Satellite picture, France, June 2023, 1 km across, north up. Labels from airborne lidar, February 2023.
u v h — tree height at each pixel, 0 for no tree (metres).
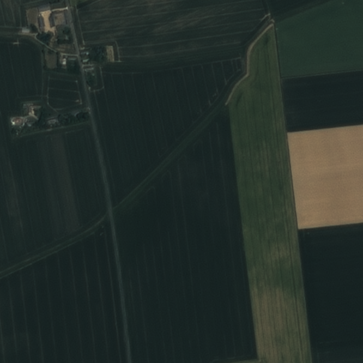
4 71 0
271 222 0
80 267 0
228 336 0
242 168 0
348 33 0
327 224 0
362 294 0
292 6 0
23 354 0
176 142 0
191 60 0
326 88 0
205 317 0
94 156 0
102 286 0
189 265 0
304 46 0
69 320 0
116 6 0
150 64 0
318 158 0
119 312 0
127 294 0
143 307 0
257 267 0
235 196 0
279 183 0
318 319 0
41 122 16
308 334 0
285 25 0
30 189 0
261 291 0
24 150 0
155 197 0
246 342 0
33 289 0
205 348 0
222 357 0
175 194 0
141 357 0
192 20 0
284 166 0
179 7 0
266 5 0
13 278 0
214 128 0
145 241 0
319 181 0
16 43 0
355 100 0
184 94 0
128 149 0
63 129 0
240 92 0
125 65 0
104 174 0
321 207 0
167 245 0
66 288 0
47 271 0
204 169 0
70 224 0
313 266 0
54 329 0
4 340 0
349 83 0
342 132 0
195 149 0
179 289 0
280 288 0
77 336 0
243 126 0
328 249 0
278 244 0
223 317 0
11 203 0
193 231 0
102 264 0
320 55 0
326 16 0
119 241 0
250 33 0
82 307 0
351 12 0
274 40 0
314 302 0
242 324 0
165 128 0
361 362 0
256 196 0
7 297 0
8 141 0
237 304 0
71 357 0
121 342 0
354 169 0
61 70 14
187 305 0
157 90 0
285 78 0
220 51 0
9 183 0
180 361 0
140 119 0
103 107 0
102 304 0
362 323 0
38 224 0
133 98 0
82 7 0
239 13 0
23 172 0
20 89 0
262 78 0
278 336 0
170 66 0
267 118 0
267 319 0
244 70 0
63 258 0
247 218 0
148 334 0
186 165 0
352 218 0
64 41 7
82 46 0
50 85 0
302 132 0
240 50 0
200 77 0
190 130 0
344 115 0
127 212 0
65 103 0
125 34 0
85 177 0
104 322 0
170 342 0
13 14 0
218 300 0
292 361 0
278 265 0
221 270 0
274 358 0
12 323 0
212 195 0
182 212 0
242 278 0
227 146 0
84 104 0
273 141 0
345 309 0
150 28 0
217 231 0
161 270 0
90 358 0
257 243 0
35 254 0
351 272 0
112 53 0
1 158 0
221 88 0
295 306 0
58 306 0
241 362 0
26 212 0
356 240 0
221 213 0
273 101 0
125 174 0
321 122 0
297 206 0
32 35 0
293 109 0
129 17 0
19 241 0
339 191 0
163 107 0
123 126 0
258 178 0
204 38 0
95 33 0
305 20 0
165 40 0
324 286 0
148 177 0
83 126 0
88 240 0
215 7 0
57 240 0
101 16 0
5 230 0
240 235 0
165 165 0
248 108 0
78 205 0
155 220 0
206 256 0
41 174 0
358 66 0
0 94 0
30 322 0
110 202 0
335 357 0
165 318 0
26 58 0
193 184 0
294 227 0
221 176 0
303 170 0
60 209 0
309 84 0
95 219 0
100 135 0
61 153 0
